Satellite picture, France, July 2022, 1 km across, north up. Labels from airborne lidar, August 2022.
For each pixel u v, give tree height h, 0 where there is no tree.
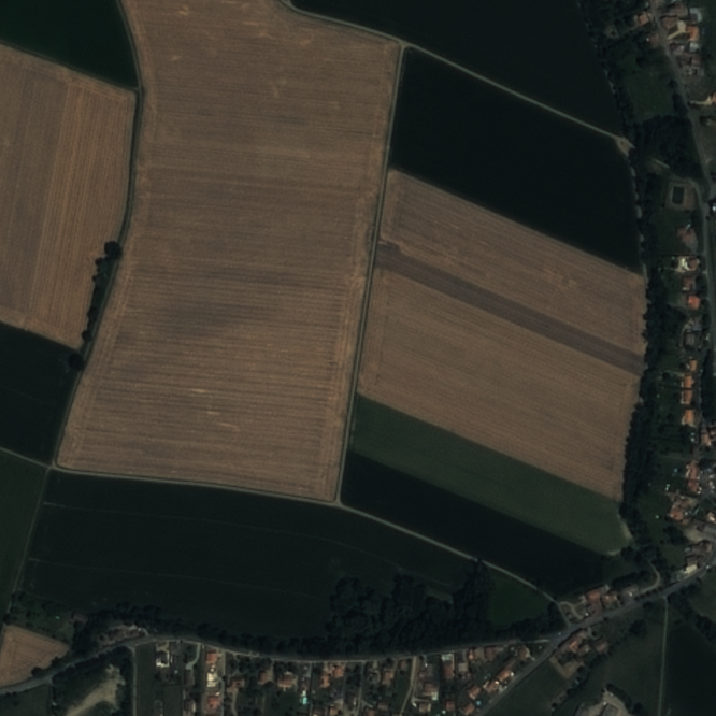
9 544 0
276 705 6
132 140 0
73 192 0
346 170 0
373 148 0
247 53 0
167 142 0
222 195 0
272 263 0
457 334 0
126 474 0
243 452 0
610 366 0
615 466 0
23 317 0
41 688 0
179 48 0
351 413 0
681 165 33
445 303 0
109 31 0
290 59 0
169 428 0
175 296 0
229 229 0
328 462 0
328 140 0
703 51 5
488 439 0
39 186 0
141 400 0
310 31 0
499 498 0
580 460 0
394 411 0
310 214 0
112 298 0
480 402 0
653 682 0
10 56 0
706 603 0
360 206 0
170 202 0
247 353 0
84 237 0
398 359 0
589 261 0
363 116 0
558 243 0
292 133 0
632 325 0
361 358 0
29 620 8
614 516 0
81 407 0
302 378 0
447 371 0
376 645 11
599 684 0
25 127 0
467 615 23
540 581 10
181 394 0
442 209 0
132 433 0
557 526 0
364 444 0
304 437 0
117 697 0
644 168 23
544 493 0
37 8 0
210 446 0
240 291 0
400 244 0
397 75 0
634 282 0
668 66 0
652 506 0
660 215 0
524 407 0
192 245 0
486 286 0
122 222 0
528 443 0
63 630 0
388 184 0
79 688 0
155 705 0
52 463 0
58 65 0
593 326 0
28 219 0
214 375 0
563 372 0
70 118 0
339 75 0
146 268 0
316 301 0
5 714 0
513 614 0
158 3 0
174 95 0
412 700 0
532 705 0
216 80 0
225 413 0
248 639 16
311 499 0
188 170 0
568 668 0
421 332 0
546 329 0
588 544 0
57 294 0
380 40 0
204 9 0
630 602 0
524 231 0
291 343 0
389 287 0
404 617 24
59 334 0
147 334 0
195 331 0
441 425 0
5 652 0
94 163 0
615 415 0
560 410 0
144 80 0
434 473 0
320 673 7
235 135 0
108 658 17
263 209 0
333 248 0
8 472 0
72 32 0
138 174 0
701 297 10
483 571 31
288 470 0
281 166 0
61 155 0
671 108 0
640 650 0
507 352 0
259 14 0
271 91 0
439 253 0
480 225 0
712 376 7
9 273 0
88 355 0
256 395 0
